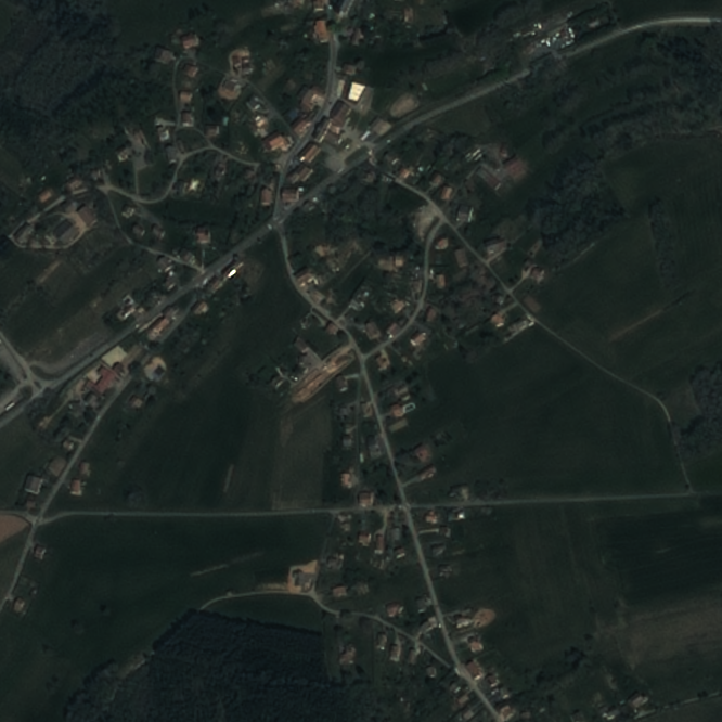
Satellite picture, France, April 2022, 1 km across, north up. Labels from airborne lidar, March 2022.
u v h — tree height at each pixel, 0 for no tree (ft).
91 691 61
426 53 0
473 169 30
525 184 0
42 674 0
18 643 0
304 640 64
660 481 0
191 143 0
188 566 0
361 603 0
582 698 0
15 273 0
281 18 0
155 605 0
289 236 38
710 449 64
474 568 0
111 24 73
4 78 28
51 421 0
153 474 0
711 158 0
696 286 0
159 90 35
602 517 0
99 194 19
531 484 0
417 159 0
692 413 0
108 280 0
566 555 0
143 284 0
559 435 0
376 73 0
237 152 0
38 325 0
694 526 0
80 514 0
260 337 0
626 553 0
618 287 0
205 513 0
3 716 0
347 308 0
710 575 0
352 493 0
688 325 0
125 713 28
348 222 68
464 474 0
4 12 0
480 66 0
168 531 0
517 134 0
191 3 0
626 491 0
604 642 0
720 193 0
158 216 0
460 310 57
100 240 0
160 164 0
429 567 0
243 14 0
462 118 0
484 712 19
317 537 0
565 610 0
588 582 0
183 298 0
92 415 45
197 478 0
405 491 0
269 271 0
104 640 0
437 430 0
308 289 0
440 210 0
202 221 0
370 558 0
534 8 70
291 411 0
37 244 0
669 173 0
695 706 0
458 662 0
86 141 0
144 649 0
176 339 0
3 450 0
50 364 0
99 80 52
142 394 0
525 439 0
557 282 0
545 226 52
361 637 0
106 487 0
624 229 0
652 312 0
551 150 69
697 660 0
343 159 0
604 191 70
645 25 0
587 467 0
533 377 0
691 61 64
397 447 0
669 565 0
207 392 0
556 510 0
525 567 0
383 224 46
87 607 0
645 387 0
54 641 0
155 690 33
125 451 0
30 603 0
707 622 0
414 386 48
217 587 0
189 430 0
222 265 0
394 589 0
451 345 0
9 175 0
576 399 0
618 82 73
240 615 0
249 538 0
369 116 0
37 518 0
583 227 89
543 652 0
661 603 0
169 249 0
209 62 0
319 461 0
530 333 0
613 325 0
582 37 27
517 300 0
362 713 80
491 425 0
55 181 0
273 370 0
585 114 0
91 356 0
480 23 0
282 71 0
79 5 37
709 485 0
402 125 0
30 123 44
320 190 0
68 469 0
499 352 0
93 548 0
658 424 0
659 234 52
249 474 0
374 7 21
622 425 0
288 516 0
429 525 0
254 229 28
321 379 0
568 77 55
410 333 0
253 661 61
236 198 20
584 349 0
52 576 0
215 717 30
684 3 0
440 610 0
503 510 0
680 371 0
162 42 0
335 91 0
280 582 0
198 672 31
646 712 0
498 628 0
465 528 0
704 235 0
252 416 0
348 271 0
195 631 70
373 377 0
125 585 0
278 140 0
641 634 0
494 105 0
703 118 76
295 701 68
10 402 0
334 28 45
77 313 0
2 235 0
